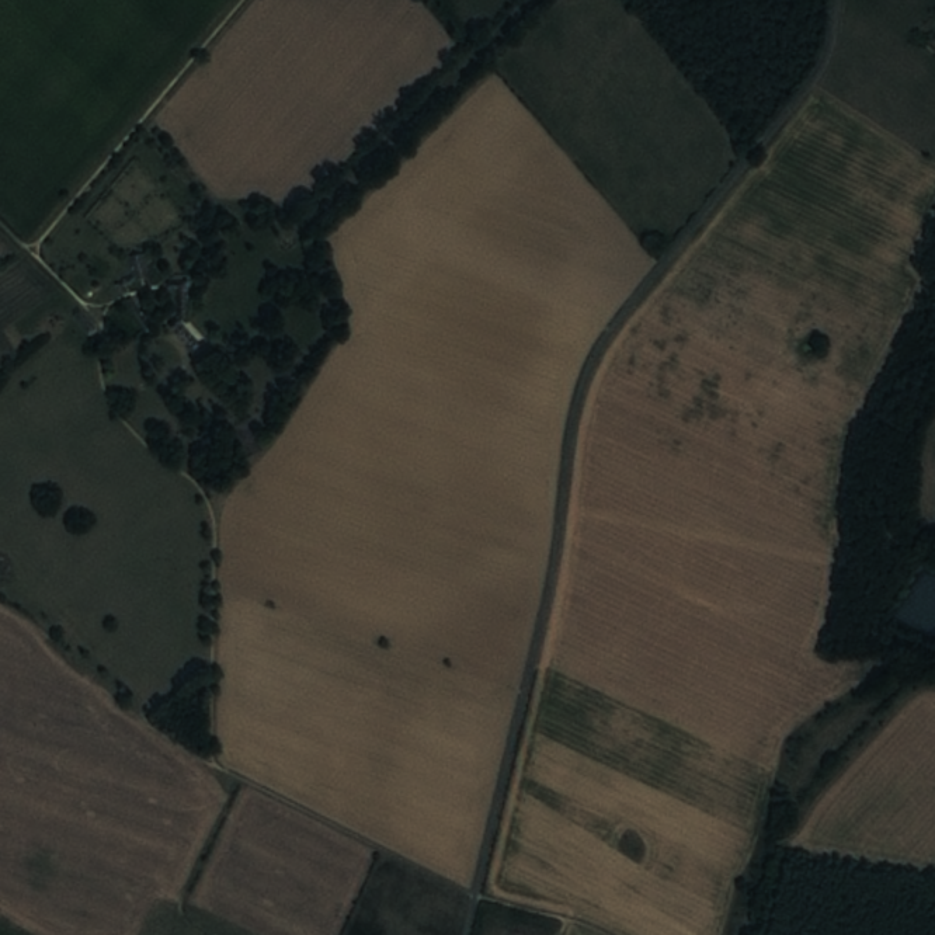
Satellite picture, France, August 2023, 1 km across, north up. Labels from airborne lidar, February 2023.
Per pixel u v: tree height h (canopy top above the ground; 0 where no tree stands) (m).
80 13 0
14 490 0
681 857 0
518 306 0
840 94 0
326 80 0
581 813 0
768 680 0
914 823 0
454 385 0
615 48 0
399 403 0
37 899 0
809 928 15
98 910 0
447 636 0
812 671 0
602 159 0
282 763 0
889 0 0
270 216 15
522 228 0
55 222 0
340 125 0
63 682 0
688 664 0
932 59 0
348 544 0
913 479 23
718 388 0
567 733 0
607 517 0
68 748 0
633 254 0
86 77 0
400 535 0
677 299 0
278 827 0
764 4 21
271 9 0
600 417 0
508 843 0
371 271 0
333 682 0
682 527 0
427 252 0
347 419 0
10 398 0
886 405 20
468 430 0
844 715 0
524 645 0
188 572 0
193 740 15
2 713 0
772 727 0
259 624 0
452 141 0
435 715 0
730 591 0
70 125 0
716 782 0
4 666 0
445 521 0
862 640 20
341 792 0
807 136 0
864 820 0
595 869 0
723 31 17
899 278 0
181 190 0
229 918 0
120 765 0
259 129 0
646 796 0
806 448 0
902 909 14
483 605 0
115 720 0
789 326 0
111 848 0
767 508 0
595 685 0
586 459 0
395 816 0
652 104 0
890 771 0
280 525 0
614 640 0
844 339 0
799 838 0
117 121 0
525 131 0
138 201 0
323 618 0
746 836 0
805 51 16
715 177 0
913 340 12
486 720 0
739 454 0
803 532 0
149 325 9
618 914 0
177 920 0
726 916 0
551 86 0
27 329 0
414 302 0
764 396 0
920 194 0
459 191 0
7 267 12
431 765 0
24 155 0
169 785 0
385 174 27
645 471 0
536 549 0
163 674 0
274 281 15
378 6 0
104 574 0
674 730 0
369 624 0
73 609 0
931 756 0
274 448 0
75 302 0
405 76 0
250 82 0
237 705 0
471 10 0
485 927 0
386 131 21
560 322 0
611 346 0
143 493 0
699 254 0
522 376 0
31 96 0
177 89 0
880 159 0
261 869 0
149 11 0
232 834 0
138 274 0
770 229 0
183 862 0
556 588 0
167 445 11
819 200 0
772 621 0
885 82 0
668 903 0
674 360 0
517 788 0
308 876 0
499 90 0
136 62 0
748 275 0
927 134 0
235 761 0
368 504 0
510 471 0
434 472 0
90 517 13
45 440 0
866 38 0
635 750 0
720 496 0
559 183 0
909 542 19
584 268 0
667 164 0
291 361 18
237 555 0
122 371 0
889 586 26
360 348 0
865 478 26
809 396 0
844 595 23
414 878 0
